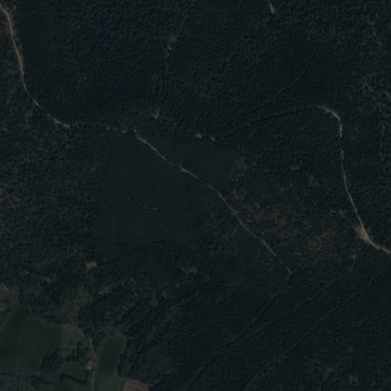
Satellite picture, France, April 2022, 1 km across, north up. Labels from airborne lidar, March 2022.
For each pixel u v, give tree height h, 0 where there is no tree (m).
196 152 17
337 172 12
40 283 23
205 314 19
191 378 19
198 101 27
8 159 19
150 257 20
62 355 19
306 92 17
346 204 13
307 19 29
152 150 11
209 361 16
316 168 10
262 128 23
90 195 12
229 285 19
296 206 9
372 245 0
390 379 12
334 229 10
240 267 9
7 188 9
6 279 30
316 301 17
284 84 18
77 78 28
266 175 11
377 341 20
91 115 17
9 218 15
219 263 12
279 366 16
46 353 0
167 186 16
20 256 22
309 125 21
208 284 11
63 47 24
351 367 19
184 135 15
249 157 14
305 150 17
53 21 24
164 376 19
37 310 20
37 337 0
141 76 15
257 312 21
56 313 27
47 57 18
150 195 15
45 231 22
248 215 7
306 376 13
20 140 10
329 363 17
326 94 21
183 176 17
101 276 10
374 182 17
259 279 17
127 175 12
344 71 12
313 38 13
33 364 0
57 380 15
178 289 17
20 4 14
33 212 28
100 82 19
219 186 16
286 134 18
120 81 15
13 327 0
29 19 25
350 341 18
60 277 18
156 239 17
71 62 19
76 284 14
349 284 9
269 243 9
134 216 16
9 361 0
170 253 13
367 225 13
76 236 13
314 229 6
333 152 10
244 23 17
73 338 0
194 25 14
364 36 8
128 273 26
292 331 14
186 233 18
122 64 15
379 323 18
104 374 0
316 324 19
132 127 13
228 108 21
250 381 20
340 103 20
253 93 21
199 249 12
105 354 0
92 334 24
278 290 17
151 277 27
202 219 15
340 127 11
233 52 26
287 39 22
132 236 18
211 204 15
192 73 25
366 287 14
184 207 15
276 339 20
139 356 18
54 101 21
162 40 19
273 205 8
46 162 22
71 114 21
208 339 17
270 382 8
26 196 18
